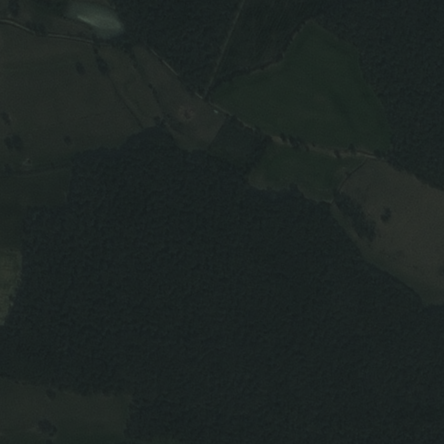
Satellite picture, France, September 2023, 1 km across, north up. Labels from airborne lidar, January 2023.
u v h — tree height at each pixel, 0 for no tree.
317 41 0
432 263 0
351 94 0
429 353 19
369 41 14
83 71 15
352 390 10
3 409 0
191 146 0
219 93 0
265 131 0
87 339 24
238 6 19
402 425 17
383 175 0
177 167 18
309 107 0
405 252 0
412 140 23
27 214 17
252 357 21
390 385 20
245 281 26
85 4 0
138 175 27
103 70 18
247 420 21
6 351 15
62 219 25
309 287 24
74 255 27
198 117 0
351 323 18
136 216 24
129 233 25
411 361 20
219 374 21
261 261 24
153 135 21
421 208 0
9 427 0
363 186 0
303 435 13
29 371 13
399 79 22
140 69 0
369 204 0
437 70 20
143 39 20
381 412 20
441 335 16
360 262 22
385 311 19
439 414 17
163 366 22
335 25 15
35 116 0
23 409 0
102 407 0
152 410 23
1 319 0
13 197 0
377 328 17
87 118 0
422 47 21
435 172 22
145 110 0
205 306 23
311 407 21
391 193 0
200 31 25
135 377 22
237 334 21
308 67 0
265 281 25
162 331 21
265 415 22
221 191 26
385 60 19
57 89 0
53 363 10
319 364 18
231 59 0
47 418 0
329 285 22
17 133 0
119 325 24
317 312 23
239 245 24
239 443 17
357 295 20
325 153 0
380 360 19
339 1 20
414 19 19
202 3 26
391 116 14
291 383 20
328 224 18
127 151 20
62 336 21
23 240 0
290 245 24
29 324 18
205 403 19
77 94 0
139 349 23
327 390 11
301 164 0
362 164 0
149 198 26
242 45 0
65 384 22
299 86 0
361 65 15
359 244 0
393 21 24
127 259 25
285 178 0
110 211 24
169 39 21
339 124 0
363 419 19
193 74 25
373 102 0
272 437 13
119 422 0
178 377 23
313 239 21
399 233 0
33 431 0
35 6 0
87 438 0
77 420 0
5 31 0
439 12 23
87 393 12
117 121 0
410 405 20
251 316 23
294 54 0
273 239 23
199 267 22
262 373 22
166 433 22
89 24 0
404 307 16
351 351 24
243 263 21
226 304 15
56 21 0
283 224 22
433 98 24
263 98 0
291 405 14
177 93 0
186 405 23
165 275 26
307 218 22
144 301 24
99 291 26
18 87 0
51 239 26
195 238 24
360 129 0
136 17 25
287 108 0
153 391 20
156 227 20
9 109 0
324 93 0
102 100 0
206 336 17
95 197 23
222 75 0
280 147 0
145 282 23
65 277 26
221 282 16
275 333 21
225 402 19
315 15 11
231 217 24
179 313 20
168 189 26
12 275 0
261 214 21
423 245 0
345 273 17
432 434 16
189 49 25
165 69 0
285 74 0
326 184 0
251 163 15
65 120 0
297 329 19
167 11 30
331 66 0
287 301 22
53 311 27
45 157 0
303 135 0
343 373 22
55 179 0
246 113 0
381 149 0
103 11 0
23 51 0
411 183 0
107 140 0
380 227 0
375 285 20
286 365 22
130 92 0
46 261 24
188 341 25
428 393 19
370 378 19
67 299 24
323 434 20
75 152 0
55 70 0
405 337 14
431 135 20
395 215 0
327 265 24
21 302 16
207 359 22
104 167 24
